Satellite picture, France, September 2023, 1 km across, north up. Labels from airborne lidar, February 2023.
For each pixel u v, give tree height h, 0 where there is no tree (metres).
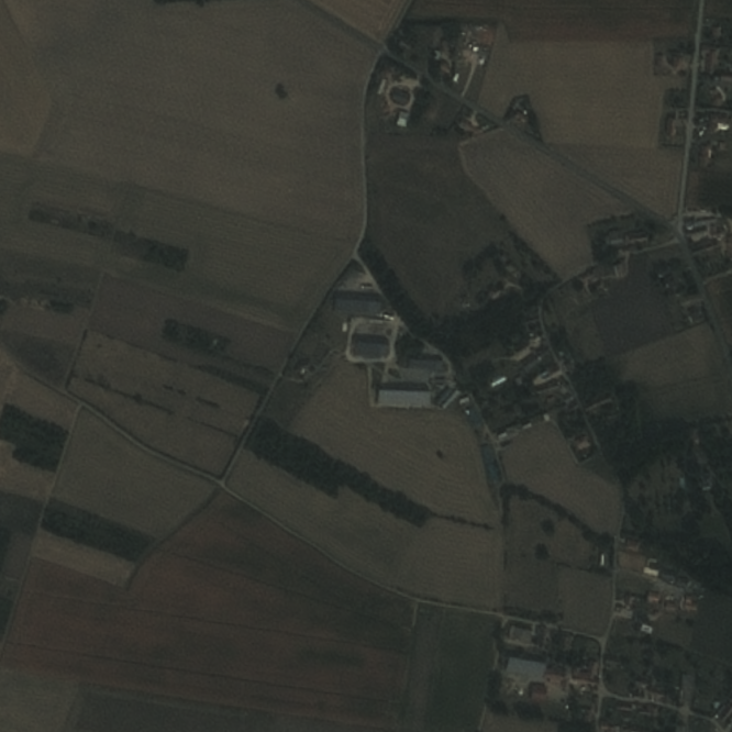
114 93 0
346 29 0
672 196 0
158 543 0
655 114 0
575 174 0
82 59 0
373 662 0
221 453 0
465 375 21
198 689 0
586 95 0
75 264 0
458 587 0
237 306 0
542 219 0
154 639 0
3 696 0
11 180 0
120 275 0
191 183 0
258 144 0
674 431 17
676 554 19
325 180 0
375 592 0
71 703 0
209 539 0
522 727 0
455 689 0
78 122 0
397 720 0
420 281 0
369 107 0
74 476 0
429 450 0
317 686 0
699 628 0
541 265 8
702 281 0
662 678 13
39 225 0
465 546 0
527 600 0
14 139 0
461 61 0
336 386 0
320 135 0
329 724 0
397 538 0
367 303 0
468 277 8
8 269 0
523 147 0
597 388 8
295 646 0
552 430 0
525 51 0
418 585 0
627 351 0
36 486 0
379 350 0
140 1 0
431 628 0
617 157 0
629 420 11
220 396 0
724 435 9
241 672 0
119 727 0
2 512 0
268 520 0
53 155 0
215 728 0
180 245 0
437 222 0
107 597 0
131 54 0
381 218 0
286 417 0
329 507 0
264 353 0
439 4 0
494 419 12
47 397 0
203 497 0
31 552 0
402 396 0
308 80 0
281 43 0
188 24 0
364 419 0
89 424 0
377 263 14
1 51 0
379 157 0
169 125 0
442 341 15
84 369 0
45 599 0
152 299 0
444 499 0
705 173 0
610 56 0
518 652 9
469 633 0
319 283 0
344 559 0
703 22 0
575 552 0
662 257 0
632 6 0
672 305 0
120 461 0
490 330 12
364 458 0
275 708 0
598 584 0
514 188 0
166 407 0
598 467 0
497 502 0
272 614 0
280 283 0
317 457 10
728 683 12
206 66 0
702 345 0
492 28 0
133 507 0
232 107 0
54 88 0
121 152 0
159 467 0
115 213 0
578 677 0
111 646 0
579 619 0
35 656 0
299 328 0
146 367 0
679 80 0
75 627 0
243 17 0
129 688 0
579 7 0
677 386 0
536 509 0
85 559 0
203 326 0
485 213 0
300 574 0
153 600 0
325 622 0
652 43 0
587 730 8
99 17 0
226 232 0
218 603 0
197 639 0
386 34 0
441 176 0
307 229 0
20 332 0
